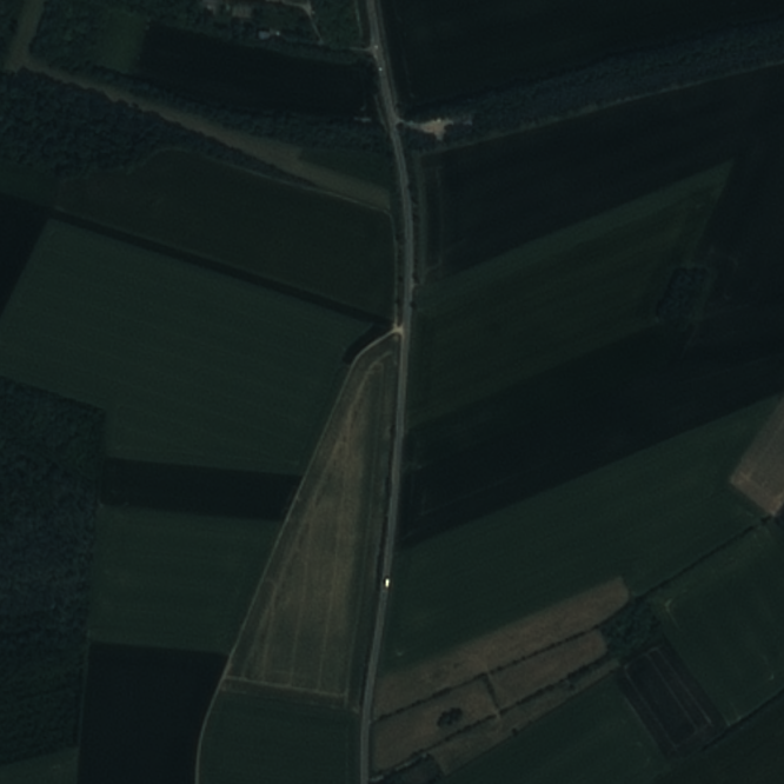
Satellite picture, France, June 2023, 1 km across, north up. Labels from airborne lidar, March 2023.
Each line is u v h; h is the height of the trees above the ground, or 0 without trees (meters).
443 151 0
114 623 0
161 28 0
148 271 0
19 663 18
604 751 0
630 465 0
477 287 0
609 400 0
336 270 0
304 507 0
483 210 0
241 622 0
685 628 0
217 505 0
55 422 18
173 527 0
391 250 0
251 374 0
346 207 0
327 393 0
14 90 22
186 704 0
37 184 0
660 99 0
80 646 14
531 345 0
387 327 0
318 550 0
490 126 12
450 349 0
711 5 0
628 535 0
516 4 0
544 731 0
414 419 0
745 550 0
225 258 0
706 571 0
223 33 13
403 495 0
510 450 0
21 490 15
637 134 0
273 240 0
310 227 0
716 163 0
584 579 0
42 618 11
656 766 0
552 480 0
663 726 0
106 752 0
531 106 12
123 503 0
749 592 0
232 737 0
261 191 0
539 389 0
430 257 0
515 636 0
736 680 0
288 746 0
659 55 17
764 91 0
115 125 26
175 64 0
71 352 0
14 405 17
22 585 20
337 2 15
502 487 0
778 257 0
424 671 0
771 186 0
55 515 17
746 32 12
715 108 0
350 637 0
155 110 0
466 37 0
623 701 0
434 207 0
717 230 0
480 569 0
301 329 0
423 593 0
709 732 0
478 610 0
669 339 0
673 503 0
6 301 0
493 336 0
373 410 0
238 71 0
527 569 0
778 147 0
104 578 0
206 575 0
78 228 0
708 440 0
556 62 0
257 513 0
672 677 0
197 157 0
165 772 0
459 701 0
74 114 20
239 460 0
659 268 0
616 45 0
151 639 0
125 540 0
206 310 0
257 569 0
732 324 0
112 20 0
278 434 0
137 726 0
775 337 0
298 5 0
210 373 0
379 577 9
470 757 0
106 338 0
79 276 0
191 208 0
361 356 0
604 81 11
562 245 0
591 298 0
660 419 0
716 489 0
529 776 0
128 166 17
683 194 0
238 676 0
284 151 0
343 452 0
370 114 0
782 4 0
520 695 0
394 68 0
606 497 0
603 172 0
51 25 18
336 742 0
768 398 0
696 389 0
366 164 0
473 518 0
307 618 0
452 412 0
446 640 0
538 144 0
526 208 0
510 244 0
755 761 0
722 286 0
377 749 0
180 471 0
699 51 14
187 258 0
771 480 0
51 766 0
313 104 0
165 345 0
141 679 0
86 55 15
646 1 0
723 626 0
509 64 0
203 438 0
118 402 0
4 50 23
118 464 0
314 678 0
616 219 0
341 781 0
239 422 0
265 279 0
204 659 0
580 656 0
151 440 0
